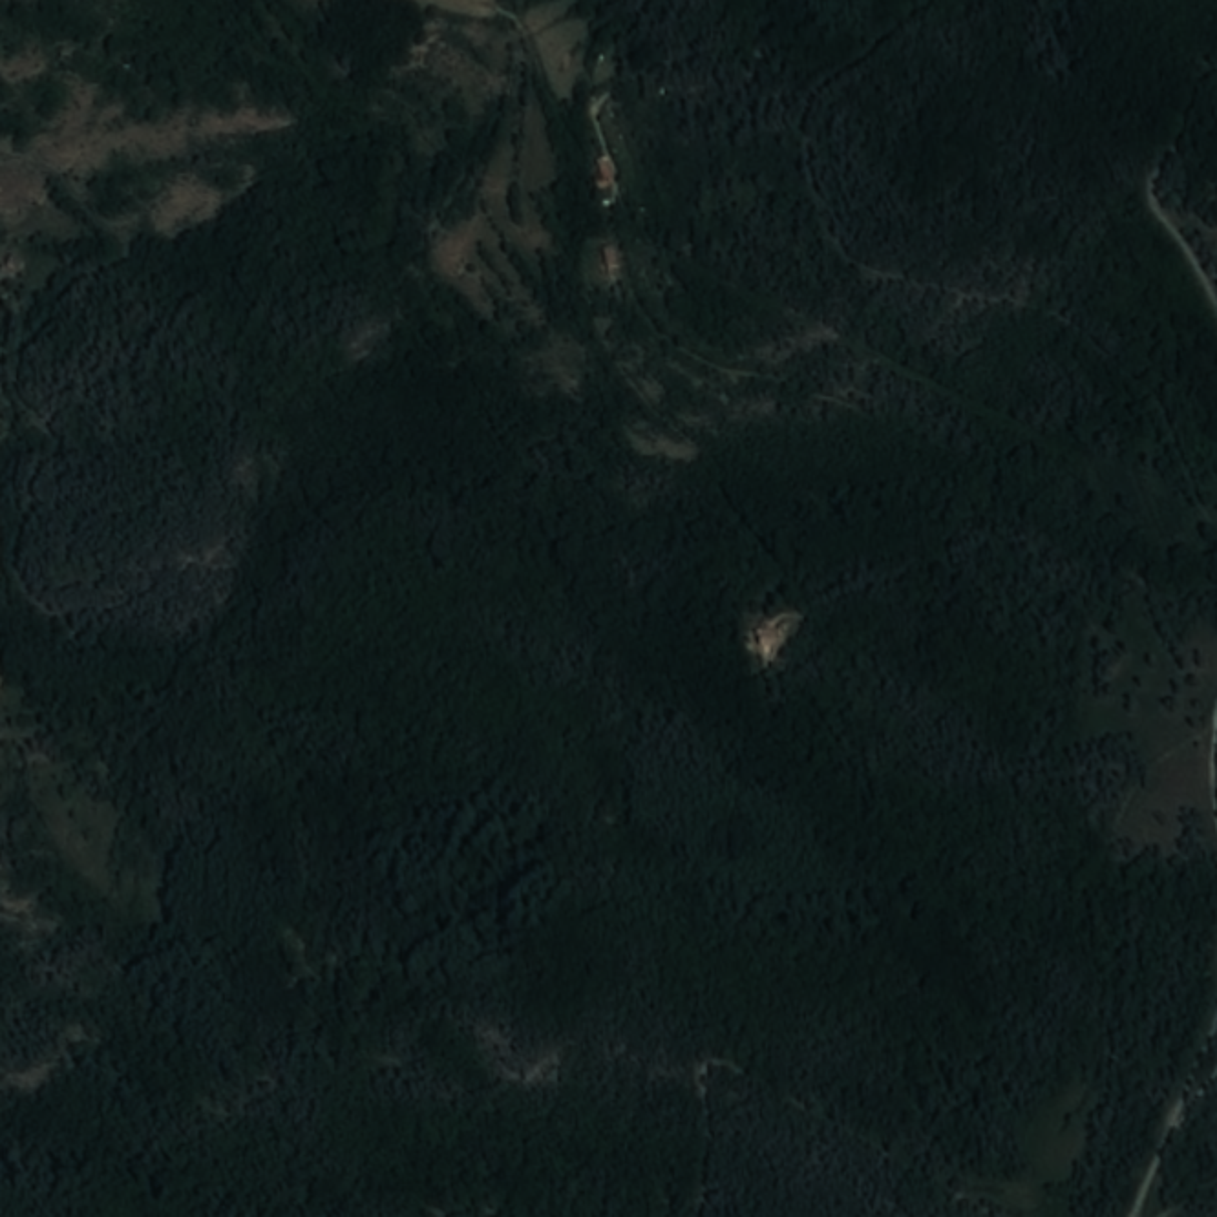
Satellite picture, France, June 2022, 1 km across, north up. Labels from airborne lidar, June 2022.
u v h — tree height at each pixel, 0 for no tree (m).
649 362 7
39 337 15
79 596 17
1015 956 15
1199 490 12
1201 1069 10
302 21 6
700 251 11
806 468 13
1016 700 8
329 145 18
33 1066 14
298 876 20
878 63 12
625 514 10
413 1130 19
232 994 24
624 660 25
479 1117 20
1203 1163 10
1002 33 21
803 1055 18
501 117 6
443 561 15
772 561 9
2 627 18
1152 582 16
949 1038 19
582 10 13
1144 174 12
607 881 15
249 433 12
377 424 18
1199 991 13
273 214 21
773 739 17
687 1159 13
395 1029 22
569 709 21
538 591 12
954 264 16
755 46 14
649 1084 9
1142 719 0
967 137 18
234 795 19
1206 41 16
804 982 21
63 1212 28
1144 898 7
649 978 12
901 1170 18
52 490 19
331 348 11
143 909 0
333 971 10
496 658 16
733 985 18
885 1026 16
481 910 17
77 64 9
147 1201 23
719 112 13
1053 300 19
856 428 9
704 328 12
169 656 21
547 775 16
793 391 6
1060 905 15
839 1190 16
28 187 0
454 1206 8
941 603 12
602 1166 16
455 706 19
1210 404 14
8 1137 24
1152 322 13
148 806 14
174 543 12
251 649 18
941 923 25
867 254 12
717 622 14
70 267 8
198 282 16
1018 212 18
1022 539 16
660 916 19
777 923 10
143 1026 10
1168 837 0
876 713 6
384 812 22
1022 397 15
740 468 14
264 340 13
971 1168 11
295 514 20
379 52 13
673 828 22
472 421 19
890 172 11
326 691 17
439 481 26
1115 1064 15
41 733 11
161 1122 36
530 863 11
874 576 17
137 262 10
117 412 22
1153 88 24
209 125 0
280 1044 15
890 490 28
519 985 23
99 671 20
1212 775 0
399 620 19
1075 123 20
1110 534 22
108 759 10
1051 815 11
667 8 11
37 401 13
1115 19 18
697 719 15
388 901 18
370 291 16
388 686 17
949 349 12
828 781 12
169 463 21
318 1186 23
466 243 0
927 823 8
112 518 8
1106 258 11
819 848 19
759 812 25
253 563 21
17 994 6
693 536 18
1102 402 15
